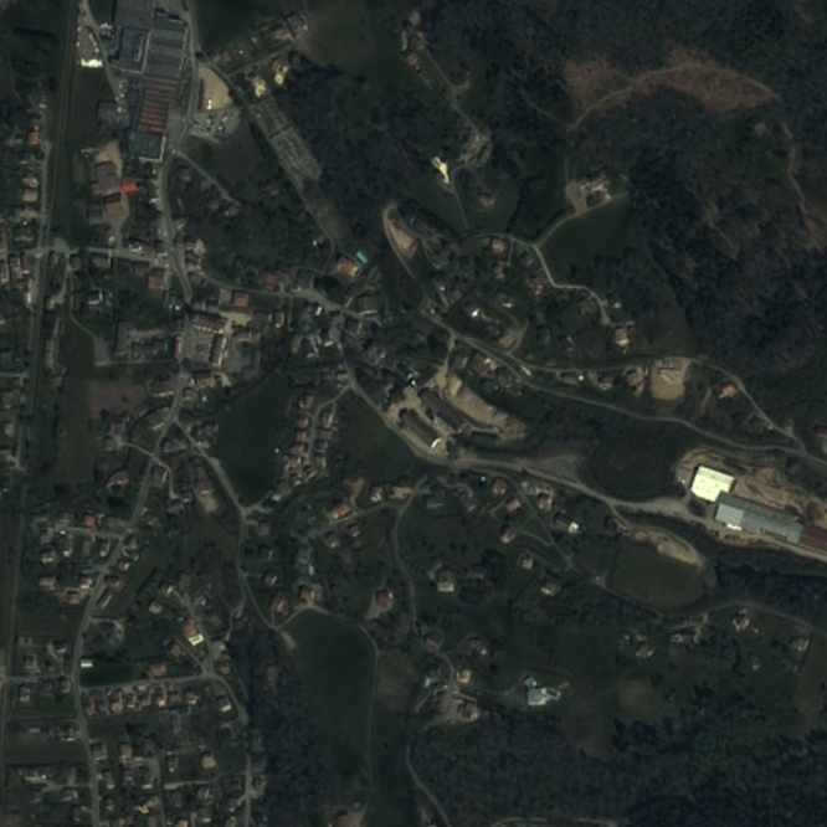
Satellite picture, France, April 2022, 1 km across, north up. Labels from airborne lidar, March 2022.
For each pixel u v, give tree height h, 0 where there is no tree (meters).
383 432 0
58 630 0
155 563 0
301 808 17
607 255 0
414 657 15
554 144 9
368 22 0
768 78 23
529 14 16
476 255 0
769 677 0
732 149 0
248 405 0
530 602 0
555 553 0
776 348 22
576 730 0
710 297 24
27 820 0
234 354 0
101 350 0
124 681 0
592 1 16
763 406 7
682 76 0
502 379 0
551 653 16
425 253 0
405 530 0
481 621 0
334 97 11
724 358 13
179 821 0
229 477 0
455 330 0
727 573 15
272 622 0
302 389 8
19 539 0
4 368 0
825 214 0
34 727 0
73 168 0
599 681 0
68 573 8
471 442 6
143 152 0
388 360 0
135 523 0
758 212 15
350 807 0
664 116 18
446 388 0
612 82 0
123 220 0
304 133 17
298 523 0
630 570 0
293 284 0
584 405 8
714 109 0
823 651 0
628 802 21
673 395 0
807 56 24
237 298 0
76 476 0
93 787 0
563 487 0
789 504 0
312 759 19
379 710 0
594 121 0
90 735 0
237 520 0
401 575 8
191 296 0
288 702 18
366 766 0
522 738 19
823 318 27
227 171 0
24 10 0
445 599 0
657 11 26
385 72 0
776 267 28
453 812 14
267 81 0
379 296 10
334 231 0
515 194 0
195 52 0
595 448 7
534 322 15
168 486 0
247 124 0
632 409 0
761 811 13
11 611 0
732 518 0
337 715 0
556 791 17
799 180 9
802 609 27
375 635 8
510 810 10
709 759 20
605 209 0
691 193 11
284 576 0
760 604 16
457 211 0
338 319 0
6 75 0
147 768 0
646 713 0
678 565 0
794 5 24
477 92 0
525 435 0
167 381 0
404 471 0
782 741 0
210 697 0
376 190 31
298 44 0
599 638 0
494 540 0
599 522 0
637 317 12
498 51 26
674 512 0
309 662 0
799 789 21
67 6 0
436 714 6
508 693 0
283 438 0
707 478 0
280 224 18
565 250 0
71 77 0
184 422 0
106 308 0
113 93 0
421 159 18
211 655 0
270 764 0
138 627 6
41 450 0
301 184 0
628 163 18
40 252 0
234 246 0
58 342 9
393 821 0
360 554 5
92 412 0
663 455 6
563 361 0
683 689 0
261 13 0
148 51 0
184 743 0
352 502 0
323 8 0
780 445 0
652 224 21
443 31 21
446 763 16
